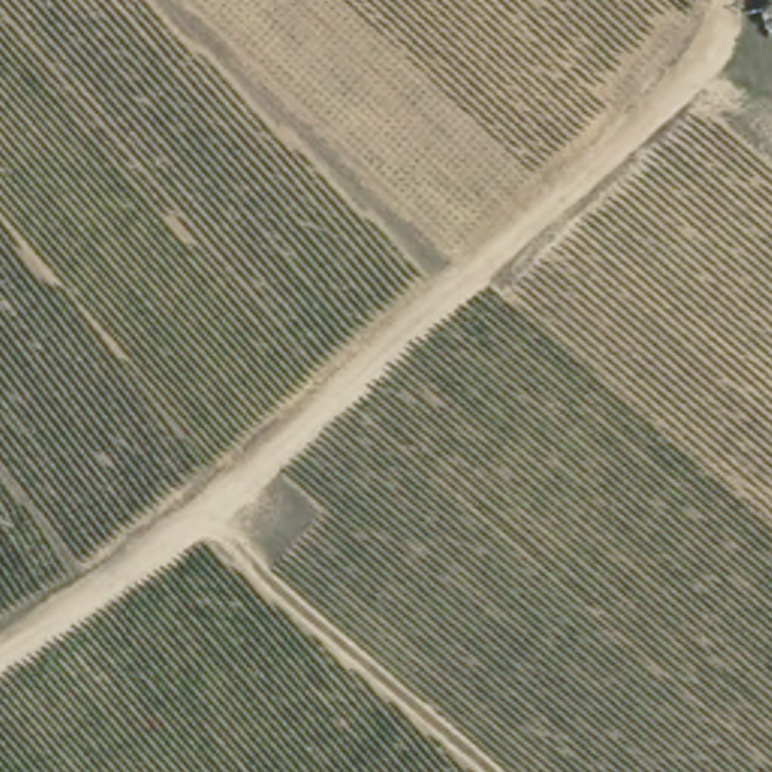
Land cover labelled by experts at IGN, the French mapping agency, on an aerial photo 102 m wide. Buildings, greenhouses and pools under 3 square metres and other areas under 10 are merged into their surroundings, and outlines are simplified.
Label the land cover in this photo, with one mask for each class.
<instances>
[{"label":"vineyard","instance_id":"1","mask_svg":"<svg viewBox=\"0 0 772 772\"><path fill-rule=\"evenodd\" d=\"M709 0H0V636L9 627L21 624L27 615H33L54 594L121 564L139 546V540L154 534L172 516L184 513L214 479L244 467L262 443H268L290 422H296L353 359L365 353L368 344L377 341L383 329H389L398 320V311L389 302L398 299L401 305H410L428 296L440 271L467 265L489 241L510 229L534 202H540L564 178L570 166L582 163L591 148L618 145L636 124L639 112L651 109L663 81L682 66L685 54L703 30ZM238 528L247 534L241 543H226L217 555L208 543H196L178 564L130 588L121 600L103 606L87 621H81L60 639L48 642L27 663H0V772H772V142L760 130H754L751 121H745L739 112H718L706 121L685 106L669 121H663L642 145H636L612 172H606L579 202H573L567 211L549 220L525 247H519L492 274L483 293H476L452 317L434 326L428 338L416 341L395 365H389L386 377L371 383V392L365 398H359L347 413L332 419L302 455L280 467L259 495V501L235 513Z\"/></svg>","mask_w":772,"mask_h":772},{"label":"pervious surface","instance_id":"2","mask_svg":"<svg viewBox=\"0 0 772 772\"><path fill-rule=\"evenodd\" d=\"M745 21V0H709L703 30L685 54L682 66L663 81L651 109L639 112L636 124L618 145L591 148L582 163L570 166L564 178L540 202H534L510 229L489 241L467 265L440 271L428 296L410 305H401L398 299L389 302L398 311V320L389 329H383L377 341L368 344L365 353L353 359L296 422H290L268 443H262L244 467L214 479L184 513L172 516L154 534L139 540V546L121 564L54 594L33 615H27L21 624L9 627L0 636V663H27L48 642L60 639L81 621H87L103 606L121 600L130 588L178 564L196 543H208L217 555L226 543H241L247 534L238 528L235 513L259 501V495L280 467L302 455L332 419L347 413L359 398H365L371 392V383L386 377L389 365H395L416 341L428 338L434 326L452 317L476 293H483L492 274L519 247H525L549 220L567 211L573 202H579L606 172H612L636 145H642L663 121H669L685 106L730 60Z\"/></svg>","mask_w":772,"mask_h":772},{"label":"herbaceous vegetation","instance_id":"3","mask_svg":"<svg viewBox=\"0 0 772 772\"><path fill-rule=\"evenodd\" d=\"M685 106L706 121L718 112H739L745 121H751L754 130H760L772 142V0H745V21L730 60Z\"/></svg>","mask_w":772,"mask_h":772}]
</instances>
